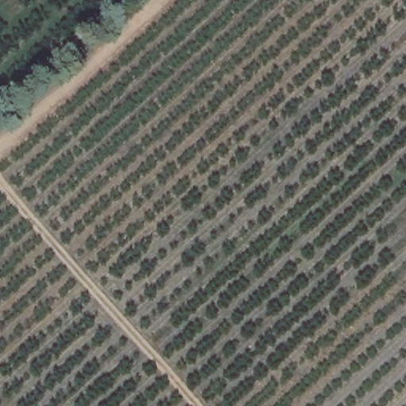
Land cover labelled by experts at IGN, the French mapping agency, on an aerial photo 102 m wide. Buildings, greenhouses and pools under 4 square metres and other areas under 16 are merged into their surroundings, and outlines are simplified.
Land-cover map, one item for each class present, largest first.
<instances>
[{"label":"deciduous trees","instance_id":"1","mask_svg":"<svg viewBox=\"0 0 406 406\"><path fill-rule=\"evenodd\" d=\"M149 0H0V132L16 130L25 117L32 114L33 106L41 98L78 75L87 57L94 54L100 46L116 40L133 14L138 13ZM365 0H174L167 10L147 25L143 33L125 46L124 51L119 52L116 59L111 60L103 70H98L95 76H92L84 86L79 87L63 105L57 106L54 114L36 125L35 133H29L27 140L17 144L0 160V171L3 178L10 182L22 198H25V203L33 213L51 230L54 238L59 239L73 260L84 270L90 271V279L100 285L101 292L109 298H114L116 308L124 312L133 327L140 328L141 335L165 358L170 357L174 350L181 349L203 328V320L216 317L219 309L227 308L238 293L246 290L247 285L260 278L268 266L273 265L274 260H278L284 252L290 251L292 244L298 239L295 233H292L281 238L278 247L271 254H265L263 260H257L255 255L266 249L278 233L301 216L304 209L314 205L331 186L341 181L344 174L339 171V165L344 163V167L350 170L358 160L368 154L373 144L365 141L358 144L355 140L362 135V128L368 127L371 121H376L392 108V95L382 101L377 94L382 87L392 81V78L406 70V54L401 57L400 62L393 63L392 70L385 73L384 78L377 82L376 86H366L362 89L357 86V81L363 73L370 76L373 70L381 68L385 60L389 59L390 52L400 48L406 41V32L401 33L398 40L387 44L385 48L382 46L381 35H384L387 25L390 24V17L403 19L406 16V0H381L377 5L368 8L354 25H350L349 29L344 30L333 41L328 35L331 27L354 13L355 8ZM395 127V121L389 119L374 130L373 136L377 141L381 140L382 136L389 135ZM406 144V127L401 128V132L389 144L379 149L374 159L363 163L358 173L347 179L343 189L336 190L330 200L309 213L300 224L303 233H308L316 227L331 209L338 206L352 190L357 189L360 182L365 181L377 167L384 165L396 149ZM392 184V176L384 174L368 192L355 198L352 205L347 206L343 213L331 220L314 241L301 247V254L306 259H311L317 247H324V259L317 262L308 273H300L297 270L301 259L285 262L274 278L268 279L259 289L254 290L249 298L232 312L230 319L222 320L209 335L203 336L197 346L189 349L186 357L179 358L174 368L176 371L195 362L198 355L205 354L206 350L216 344L220 336L228 333L233 325L243 319L244 314H249L259 304L266 309L268 316H274L276 312L281 311L282 306L289 303L292 295L300 292L304 285L308 284L309 279L322 273L325 265L335 262L349 244L354 243L358 236L365 235L368 228L373 227L374 222L381 220L395 203L406 195V179L401 181L400 187H396L392 193L387 190ZM32 227V222L24 219L16 206L6 200L5 193L0 192V254L5 251L10 241L21 238ZM377 238L384 249L379 252L376 263L365 266L358 273L355 271L354 266L368 259L374 249L371 241L360 244L341 270L330 271L327 279L317 282L311 293L301 298L289 314H285L273 327L265 331V335L260 336L254 349L244 350L243 354H239L227 366L222 376L209 382L201 398L205 406H322L344 381H349L352 374L362 370V366L366 365L368 360L376 357L377 350H381L389 339L395 338L403 328H406V316L395 322L381 339H377L370 347L363 346L360 341L406 301V206L400 216L377 230ZM46 292L49 295V298L36 306L33 316L16 325L10 336L0 338V406H89L100 393L114 384L117 377L132 370L133 362L138 360L141 354L136 344L114 324L113 319L100 308V304L94 298L90 297L82 284L71 276L67 266L57 259L51 247L46 246L41 236L36 233L21 247H16L10 259L0 266V330H3L11 319L19 316L29 303L40 297L41 293ZM263 324L262 319L257 317L246 322L241 328V335L244 338H251L255 328ZM220 358L211 355L200 370L189 373L186 382L187 387L192 390L200 384L201 379L217 370ZM398 363L396 358H390L389 362L374 370L355 393L347 396L338 406H354L355 401L365 396L366 392H370L385 374L395 368ZM141 376L136 374L132 379H127L108 398L100 401L98 406H117L128 393L136 389V385L140 384ZM128 406H187L178 390L168 382V377L162 374L155 377V381L147 385L146 390L136 396ZM370 406H406V374L403 379L396 381L393 387L385 390L379 401Z\"/></svg>","mask_w":406,"mask_h":406},{"label":"plowed land","instance_id":"2","mask_svg":"<svg viewBox=\"0 0 406 406\"><path fill-rule=\"evenodd\" d=\"M381 0H365L355 8L354 13L331 27L328 35L333 41L344 30L349 29L350 25H354L368 8L377 5ZM406 32V16L403 19L390 17V24L387 25L384 35H381L382 46L385 48L387 44L398 40L401 33ZM406 54V41L400 48L390 52L389 59L385 60L381 68L373 70L370 76L363 73L357 81V86L362 89L366 86H376L377 82L384 78L385 73L392 70L393 63L400 62L401 57ZM392 95V108L376 121H371L368 127L362 128V135L355 140L358 144L365 141L373 144L368 154L358 160L350 170L344 167V163L339 165V171L344 174L341 181L331 186L314 205L304 209L301 216L278 233L266 249L255 255L257 260H263L265 254H271L278 247L281 238L292 233H295L298 239L292 244L290 251L284 252L278 260H274L273 265L268 266L260 278L247 285L246 290L238 293L227 308L219 309L216 317L203 320V328L181 349L174 350L170 357L165 358L168 365L174 368L179 358L186 357L189 349L197 346L203 336L209 335L222 320L230 319L232 312L249 298L254 290L259 289L268 279L274 278L285 262L301 259L297 270L300 273H308L317 262L324 259V247H317L311 259H306L301 254V247L314 241L331 220L343 213L347 206L352 205L355 198L368 192L384 174L392 176V184L387 190L392 193L396 187H400L401 181L406 179V144L396 149L384 165L377 167L365 181L360 182L357 189L352 190L338 206L331 209L316 227L308 233H303L300 224L309 213L330 200L336 190L343 189L347 179L358 173L363 163L374 159L379 149L389 144L401 132V128L406 127V70L392 78V81L382 87L377 94L382 101ZM389 119L395 121V127L389 135L382 136L381 140L377 141L373 136L374 130ZM406 206V195L395 203L381 220L374 222L373 227L368 228L365 235L358 236L354 243L349 244L335 262L325 265L322 273L309 279L308 284L304 285L300 292L292 295L289 303L282 306L281 311L276 312L274 316H268L266 309L259 304L249 314H244L243 319L233 325L228 333L220 336L216 344L206 350L205 354L198 355L195 362L176 371L182 381L186 382L189 373L200 370L211 355L220 358L217 370L201 379L200 384L192 390L201 398L209 382L222 376L227 366L239 354H243L244 350L254 349L260 336L265 335V331L273 327L285 314H289L301 298L311 293L317 282L327 279L330 271L341 270L360 244L371 241L374 249L368 259L354 266L355 271L358 273L365 266L376 263L379 252L384 249L377 238V230L400 216ZM257 317L262 319L263 324L255 328L251 338H244L241 335V328L246 322ZM406 316V301L360 341L363 346L370 347L377 339H381L395 322ZM390 358H396L398 363L395 368L385 374L370 392H366L365 396L355 401L354 406H370L379 401L385 390L393 387L396 381L403 379L406 374V328H403L395 338L389 339L381 350H377L376 357L368 360L366 365L362 366V370L352 374L349 381H344L322 406H338L347 396L355 393L374 370L389 362Z\"/></svg>","mask_w":406,"mask_h":406},{"label":"pervious surface","instance_id":"3","mask_svg":"<svg viewBox=\"0 0 406 406\"><path fill-rule=\"evenodd\" d=\"M174 0H149L138 13L133 14L116 40L100 46L94 54L87 57L78 75L41 98L33 106L32 114L25 117L16 130L0 132V160L17 144L27 140L29 133H35L36 125L54 114L57 106L63 105L79 87L84 86L92 76H95L98 70H103L111 60L116 59L119 52L124 51L125 46L143 33L147 25L167 10ZM0 192L5 193L6 200L16 206L24 219L32 222V227L36 233L41 236L46 246L51 247L57 259L67 266L71 276L82 284L90 297L94 298L100 304V308L113 319L114 324L136 344L141 354L146 355L149 360H154L157 370L162 374L168 377V382L178 390L187 406H205L201 398L192 390L187 387L186 382L182 381L176 371L174 368L168 365L165 358L141 335L140 328L133 327L124 312L116 308L114 298H109L101 292L100 285L90 279V271L84 270L73 260L59 239L54 238L51 230L33 213L25 203V198H22L10 182L3 178L0 171Z\"/></svg>","mask_w":406,"mask_h":406},{"label":"herbaceous vegetation","instance_id":"4","mask_svg":"<svg viewBox=\"0 0 406 406\"><path fill-rule=\"evenodd\" d=\"M36 233L32 227L21 238L10 241L5 251L0 254V266L10 259L16 247H21ZM49 298V295L46 292L41 293L40 297L29 303L19 316L11 319L3 330H0V338L10 336L16 325L33 316L36 306ZM136 374L141 376L140 384L136 385V389L128 393L117 406H128L136 396L146 390L147 385L155 381V377L162 374L157 370L154 360H149L146 355L141 354L138 360L133 362L132 370L117 377L114 384L100 393L89 406H98L100 401L108 398L127 379H132Z\"/></svg>","mask_w":406,"mask_h":406}]
</instances>
